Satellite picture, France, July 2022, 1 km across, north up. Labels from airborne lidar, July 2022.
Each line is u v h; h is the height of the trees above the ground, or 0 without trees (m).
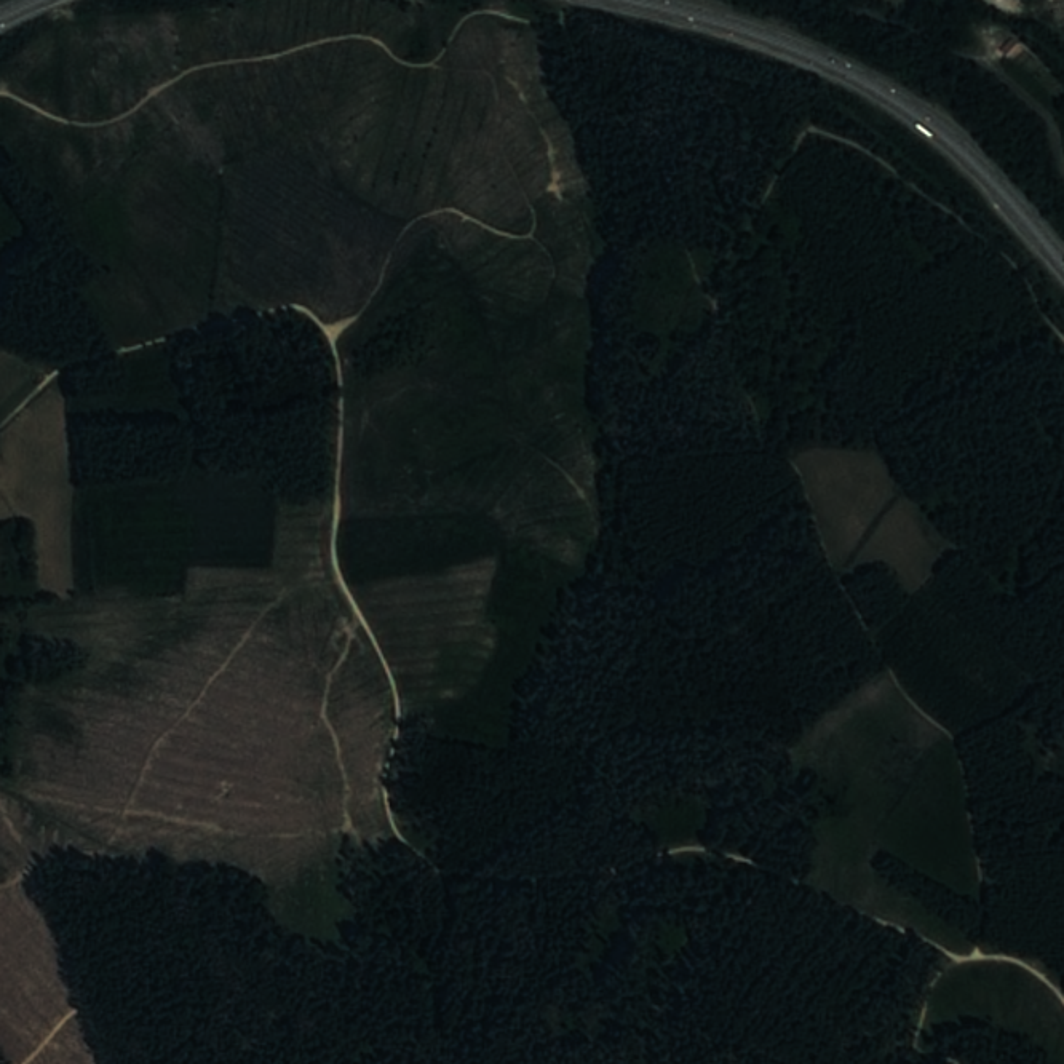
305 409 32
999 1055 15
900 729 0
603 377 37
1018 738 17
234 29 0
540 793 18
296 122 0
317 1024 25
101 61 0
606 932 0
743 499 19
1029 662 19
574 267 0
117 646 0
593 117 19
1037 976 0
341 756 0
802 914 27
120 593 0
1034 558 21
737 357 18
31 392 0
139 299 0
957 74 16
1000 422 32
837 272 7
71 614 0
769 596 37
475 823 20
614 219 25
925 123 0
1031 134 18
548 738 28
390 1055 21
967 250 13
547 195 0
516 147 0
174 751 0
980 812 21
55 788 0
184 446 34
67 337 38
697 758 32
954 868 0
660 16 0
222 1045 16
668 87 21
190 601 0
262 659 0
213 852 0
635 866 22
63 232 34
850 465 0
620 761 20
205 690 0
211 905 27
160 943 21
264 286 0
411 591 0
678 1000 7
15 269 38
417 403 0
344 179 0
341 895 0
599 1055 10
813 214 8
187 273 0
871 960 26
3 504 0
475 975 24
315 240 0
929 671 6
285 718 0
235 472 33
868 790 0
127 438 31
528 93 0
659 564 16
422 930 22
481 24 0
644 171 20
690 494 14
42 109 0
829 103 11
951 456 33
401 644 0
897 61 12
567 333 0
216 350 11
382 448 0
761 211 13
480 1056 28
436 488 0
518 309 0
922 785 0
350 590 0
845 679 19
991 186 0
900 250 8
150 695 0
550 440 0
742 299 21
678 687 19
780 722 19
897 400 21
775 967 25
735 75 9
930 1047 21
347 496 0
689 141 29
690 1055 18
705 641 41
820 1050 26
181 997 24
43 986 0
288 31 0
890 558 0
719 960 30
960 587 22
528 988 20
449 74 0
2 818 0
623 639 29
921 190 7
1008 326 12
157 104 0
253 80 0
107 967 23
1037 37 12
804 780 29
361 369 7
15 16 0
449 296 0
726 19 0
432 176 0
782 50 0
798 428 14
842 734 0
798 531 29
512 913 30
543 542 0
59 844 0
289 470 32
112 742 0
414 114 0
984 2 16
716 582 42
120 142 0
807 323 13
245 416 36
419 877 32
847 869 0
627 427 27
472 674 0
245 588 0
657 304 0
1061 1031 0
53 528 0
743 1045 25
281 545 0
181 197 0
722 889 12
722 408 16
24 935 0
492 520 0
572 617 28
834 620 18
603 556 8
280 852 0
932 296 14
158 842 0
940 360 12
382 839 0
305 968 32
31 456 0
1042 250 0
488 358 0
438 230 0
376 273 0
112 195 0
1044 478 37
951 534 17
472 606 0
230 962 28
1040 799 19
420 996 37
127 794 0
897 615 9
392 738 0
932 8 21
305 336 10
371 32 0
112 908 25
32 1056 0
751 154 12
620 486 20
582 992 30
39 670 21
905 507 0
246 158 0
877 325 9
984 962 0
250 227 0
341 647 0
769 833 32
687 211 32
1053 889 20
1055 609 20
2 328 33
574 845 28
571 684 28
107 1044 24
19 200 35
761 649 28
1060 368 27
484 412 0
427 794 20
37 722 0
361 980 22
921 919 0
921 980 25
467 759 18
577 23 9
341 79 0
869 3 15
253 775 0
